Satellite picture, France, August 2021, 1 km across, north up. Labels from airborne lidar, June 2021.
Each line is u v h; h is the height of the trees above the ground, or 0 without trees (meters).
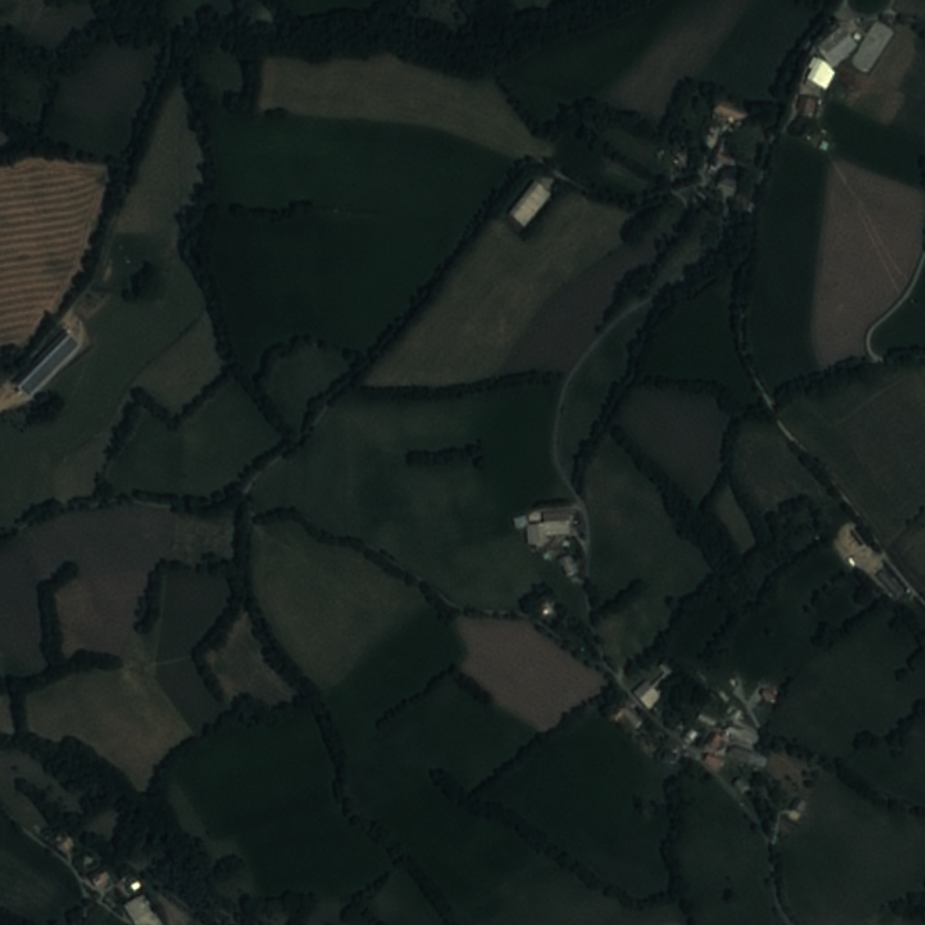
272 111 8
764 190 12
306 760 0
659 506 0
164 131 0
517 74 0
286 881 0
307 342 7
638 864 0
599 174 0
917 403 0
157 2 19
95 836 14
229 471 0
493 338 0
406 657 0
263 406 11
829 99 0
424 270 0
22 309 0
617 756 0
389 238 0
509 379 8
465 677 10
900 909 16
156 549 0
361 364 14
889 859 0
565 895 0
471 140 0
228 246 0
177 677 0
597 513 0
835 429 0
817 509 9
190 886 21
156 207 0
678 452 0
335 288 0
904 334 0
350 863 0
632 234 18
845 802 0
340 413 0
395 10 11
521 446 0
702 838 0
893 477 0
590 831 0
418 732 0
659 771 0
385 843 14
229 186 0
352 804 16
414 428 0
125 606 0
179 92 0
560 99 0
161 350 0
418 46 22
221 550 0
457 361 0
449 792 17
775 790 10
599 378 0
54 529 0
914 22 9
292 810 0
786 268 0
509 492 0
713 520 15
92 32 21
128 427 13
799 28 0
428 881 12
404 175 0
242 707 20
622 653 0
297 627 0
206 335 0
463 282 0
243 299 0
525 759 12
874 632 0
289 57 13
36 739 11
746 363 9
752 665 0
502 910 0
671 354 0
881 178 0
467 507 0
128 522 0
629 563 0
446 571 0
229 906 18
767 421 15
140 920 0
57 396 10
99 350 0
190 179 0
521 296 0
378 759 0
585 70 0
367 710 0
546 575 0
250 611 15
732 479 16
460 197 0
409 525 0
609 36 0
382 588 0
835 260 0
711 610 0
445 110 0
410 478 0
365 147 0
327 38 23
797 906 0
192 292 0
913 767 0
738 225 9
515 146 0
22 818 0
